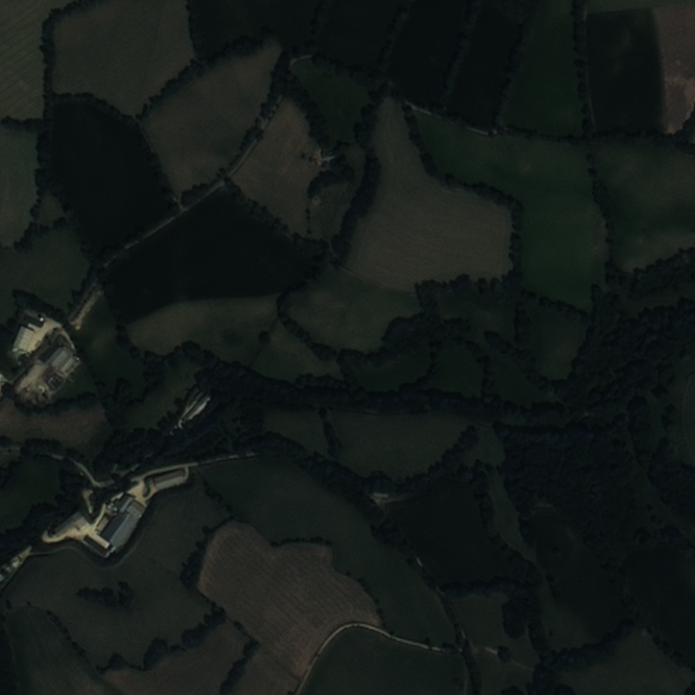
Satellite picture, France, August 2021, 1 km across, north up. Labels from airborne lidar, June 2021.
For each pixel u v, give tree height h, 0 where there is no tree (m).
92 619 0
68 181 0
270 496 0
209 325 0
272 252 0
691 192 0
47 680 0
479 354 15
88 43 0
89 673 0
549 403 0
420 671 0
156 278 0
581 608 0
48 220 0
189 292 0
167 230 0
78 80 0
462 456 18
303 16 0
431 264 0
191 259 0
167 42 0
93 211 0
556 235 0
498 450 0
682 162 0
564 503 27
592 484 28
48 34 14
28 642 0
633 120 0
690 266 12
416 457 0
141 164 0
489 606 0
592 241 0
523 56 19
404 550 17
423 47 0
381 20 0
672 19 0
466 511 0
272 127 0
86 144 0
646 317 14
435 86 0
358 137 19
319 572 0
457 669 0
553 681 24
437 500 0
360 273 0
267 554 0
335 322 0
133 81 0
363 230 0
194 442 16
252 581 0
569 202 0
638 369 22
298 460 12
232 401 18
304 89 14
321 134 21
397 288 0
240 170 0
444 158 0
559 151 0
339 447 19
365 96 0
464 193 0
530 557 0
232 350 0
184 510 0
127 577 0
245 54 18
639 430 20
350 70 14
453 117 15
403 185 0
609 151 0
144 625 0
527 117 0
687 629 0
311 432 0
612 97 0
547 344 0
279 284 0
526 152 0
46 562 0
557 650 0
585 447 32
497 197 19
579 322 13
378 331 0
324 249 7
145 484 0
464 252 0
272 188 0
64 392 0
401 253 0
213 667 0
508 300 20
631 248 0
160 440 19
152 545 0
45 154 20
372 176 23
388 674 0
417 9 0
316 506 0
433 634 0
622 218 0
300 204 0
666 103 0
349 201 0
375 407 19
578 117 0
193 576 19
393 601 0
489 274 0
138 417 0
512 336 0
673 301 0
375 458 0
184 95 0
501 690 0
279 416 0
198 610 0
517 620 23
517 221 16
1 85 0
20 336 0
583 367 21
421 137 12
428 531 0
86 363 12
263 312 0
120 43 0
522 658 0
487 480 24
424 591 0
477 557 0
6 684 21
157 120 0
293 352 0
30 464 0
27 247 17
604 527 28
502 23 0
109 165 0
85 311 0
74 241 0
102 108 16
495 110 0
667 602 0
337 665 0
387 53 17
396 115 0
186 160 0
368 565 0
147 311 0
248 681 0
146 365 13
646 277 14
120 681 0
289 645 0
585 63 13
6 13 0
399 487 10
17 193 0
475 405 15
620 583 21
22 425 0
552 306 14
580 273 0
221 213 0
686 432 0
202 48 17
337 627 0
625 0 0
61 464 9
